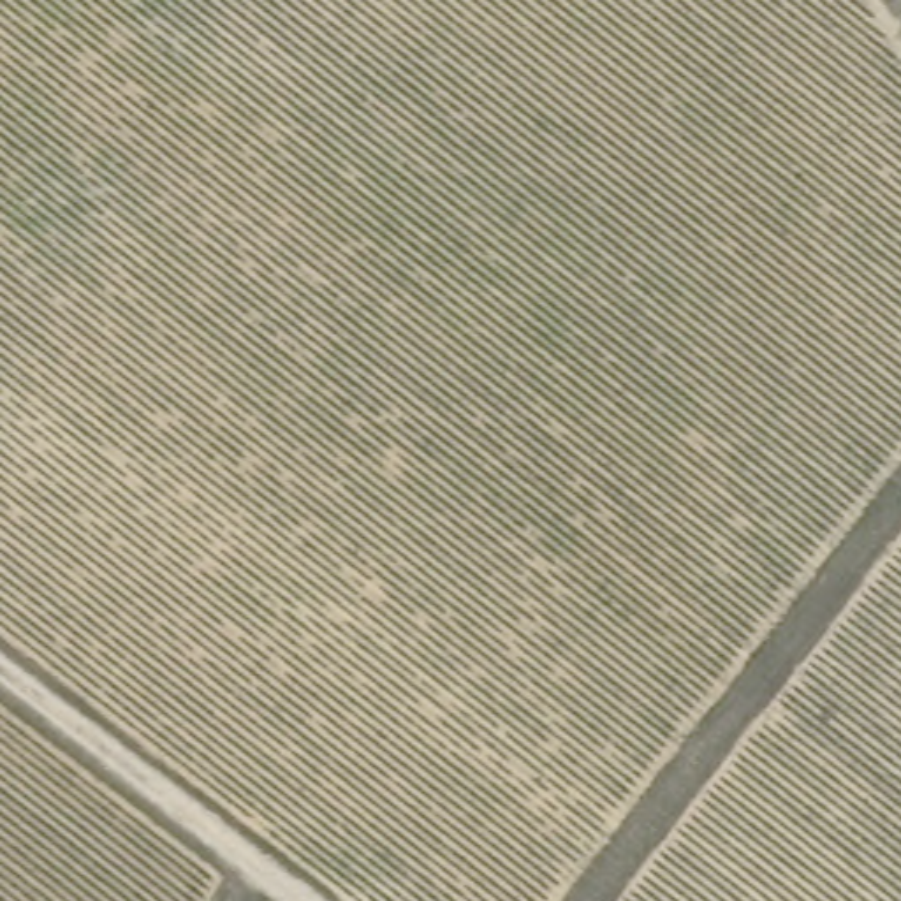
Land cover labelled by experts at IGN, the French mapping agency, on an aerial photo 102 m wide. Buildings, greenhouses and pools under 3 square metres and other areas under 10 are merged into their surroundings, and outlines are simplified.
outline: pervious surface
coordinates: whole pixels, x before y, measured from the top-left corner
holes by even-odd
[[[236,831],[229,831],[201,802],[183,795],[158,771],[141,764],[113,736],[92,725],[84,714],[77,714],[70,704],[63,704],[56,693],[49,693],[21,665],[0,655],[0,686],[32,711],[39,711],[53,729],[60,729],[67,739],[88,750],[102,767],[109,767],[116,778],[123,778],[134,792],[141,792],[148,802],[155,802],[162,813],[169,813],[215,852],[229,866],[236,866],[250,887],[264,890],[275,901],[324,901],[303,880],[289,876],[253,845],[246,845]]]

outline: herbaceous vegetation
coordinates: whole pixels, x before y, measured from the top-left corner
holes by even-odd
[[[623,817],[609,845],[591,859],[591,866],[577,876],[563,901],[616,901],[626,880],[648,859],[648,852],[669,834],[686,802],[725,760],[743,729],[774,700],[778,686],[820,641],[827,623],[866,577],[866,570],[901,531],[901,465],[862,510],[862,517],[852,524],[852,531],[820,563],[813,581],[792,598],[781,623],[750,655],[746,669],[722,693],[722,700],[697,722],[693,732],[686,732],[679,753],[658,771],[651,788]]]
[[[901,63],[901,0],[866,0],[866,7],[873,11],[873,25],[883,32],[883,42],[894,49]]]
[[[211,869],[222,876],[215,901],[275,901],[264,890],[250,887],[236,866],[229,866],[215,852]]]

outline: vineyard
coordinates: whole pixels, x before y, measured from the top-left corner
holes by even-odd
[[[686,732],[693,732],[697,722],[722,700],[722,693],[746,669],[750,655],[781,623],[792,598],[813,581],[820,563],[852,531],[852,524],[862,517],[862,510],[901,465],[901,63],[894,49],[883,42],[883,32],[873,25],[873,11],[866,7],[866,0],[0,0],[0,655],[21,665],[49,693],[56,693],[63,704],[70,704],[77,714],[84,714],[92,725],[113,736],[141,764],[158,771],[183,795],[201,802],[229,831],[236,831],[246,845],[253,845],[289,876],[303,880],[324,901],[563,901],[577,876],[591,866],[591,859],[609,845],[623,817],[651,788],[658,771],[679,753]]]
[[[155,802],[148,802],[141,792],[134,792],[123,778],[116,778],[109,767],[102,767],[88,750],[67,739],[60,729],[53,729],[39,711],[32,711],[0,686],[0,901],[215,901],[222,876],[211,869],[215,852],[169,813],[162,813]]]
[[[778,686],[774,700],[743,729],[725,760],[686,802],[669,834],[648,852],[648,859],[626,880],[616,901],[901,901],[901,531],[866,570],[866,577],[827,623],[820,641]]]

